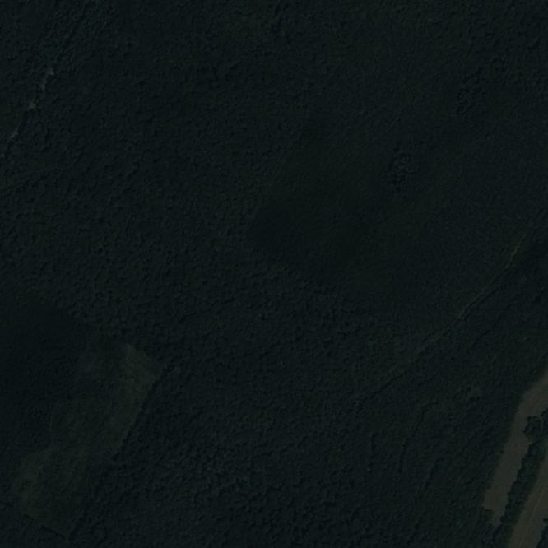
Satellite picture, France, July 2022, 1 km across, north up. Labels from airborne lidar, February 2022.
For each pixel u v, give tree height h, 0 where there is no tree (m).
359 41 10
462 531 19
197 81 23
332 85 11
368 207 10
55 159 25
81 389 0
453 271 11
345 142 6
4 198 16
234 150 20
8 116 22
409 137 9
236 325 15
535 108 9
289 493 23
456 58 7
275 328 20
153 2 24
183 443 18
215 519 20
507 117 8
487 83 11
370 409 21
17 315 14
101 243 18
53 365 16
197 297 20
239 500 22
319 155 9
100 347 0
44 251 16
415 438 16
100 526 11
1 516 20
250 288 19
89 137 21
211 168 24
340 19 21
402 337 14
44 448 17
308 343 19
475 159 8
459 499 18
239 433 13
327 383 15
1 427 12
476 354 20
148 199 24
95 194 18
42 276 23
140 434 14
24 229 21
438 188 8
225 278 22
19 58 21
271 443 21
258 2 21
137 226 24
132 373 0
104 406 0
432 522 21
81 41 28
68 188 15
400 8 14
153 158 20
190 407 24
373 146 7
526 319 18
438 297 8
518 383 18
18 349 16
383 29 9
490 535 13
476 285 6
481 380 18
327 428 19
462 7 18
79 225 17
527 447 0
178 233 20
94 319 20
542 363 15
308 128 13
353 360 15
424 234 9
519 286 21
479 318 19
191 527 16
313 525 29
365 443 18
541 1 19
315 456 20
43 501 0
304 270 12
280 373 21
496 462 17
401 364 13
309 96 19
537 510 0
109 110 23
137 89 23
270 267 22
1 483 12
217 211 18
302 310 18
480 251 8
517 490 15
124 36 22
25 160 20
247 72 19
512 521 16
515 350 19
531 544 0
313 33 20
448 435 14
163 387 20
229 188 16
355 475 20
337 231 11
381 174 12
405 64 7
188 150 18
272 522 14
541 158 9
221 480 22
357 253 11
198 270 25
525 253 6
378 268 9
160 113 26
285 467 24
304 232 11
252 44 17
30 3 20
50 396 17
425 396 20
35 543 22
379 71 6
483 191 8
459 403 7
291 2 21
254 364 25
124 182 25
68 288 21
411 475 20
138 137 21
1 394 15
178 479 17
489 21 18
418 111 8
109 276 20
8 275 17
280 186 8
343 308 23
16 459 12
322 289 18
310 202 10
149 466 24
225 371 25
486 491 15
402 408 18
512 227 7
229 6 20
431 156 11
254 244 13
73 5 26
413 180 10
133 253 20
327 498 12
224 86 25
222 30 19
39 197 23
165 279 26
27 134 23
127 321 20
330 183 9
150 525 20
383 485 18
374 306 8
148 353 23
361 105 9
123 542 18
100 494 22
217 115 18
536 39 18
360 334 20
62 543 24
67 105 23
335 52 20
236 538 29
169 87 25
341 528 27
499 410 18
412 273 9
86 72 25
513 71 17
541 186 8
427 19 16
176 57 20
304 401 19
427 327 7
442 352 15
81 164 28
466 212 7
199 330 22
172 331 20
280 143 19
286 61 20
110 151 24
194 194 21
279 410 10
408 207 10
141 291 21
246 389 25
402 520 22
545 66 20
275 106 21
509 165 9
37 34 21
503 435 23
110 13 26
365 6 14
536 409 0
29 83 23
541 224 16
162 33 20
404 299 8
